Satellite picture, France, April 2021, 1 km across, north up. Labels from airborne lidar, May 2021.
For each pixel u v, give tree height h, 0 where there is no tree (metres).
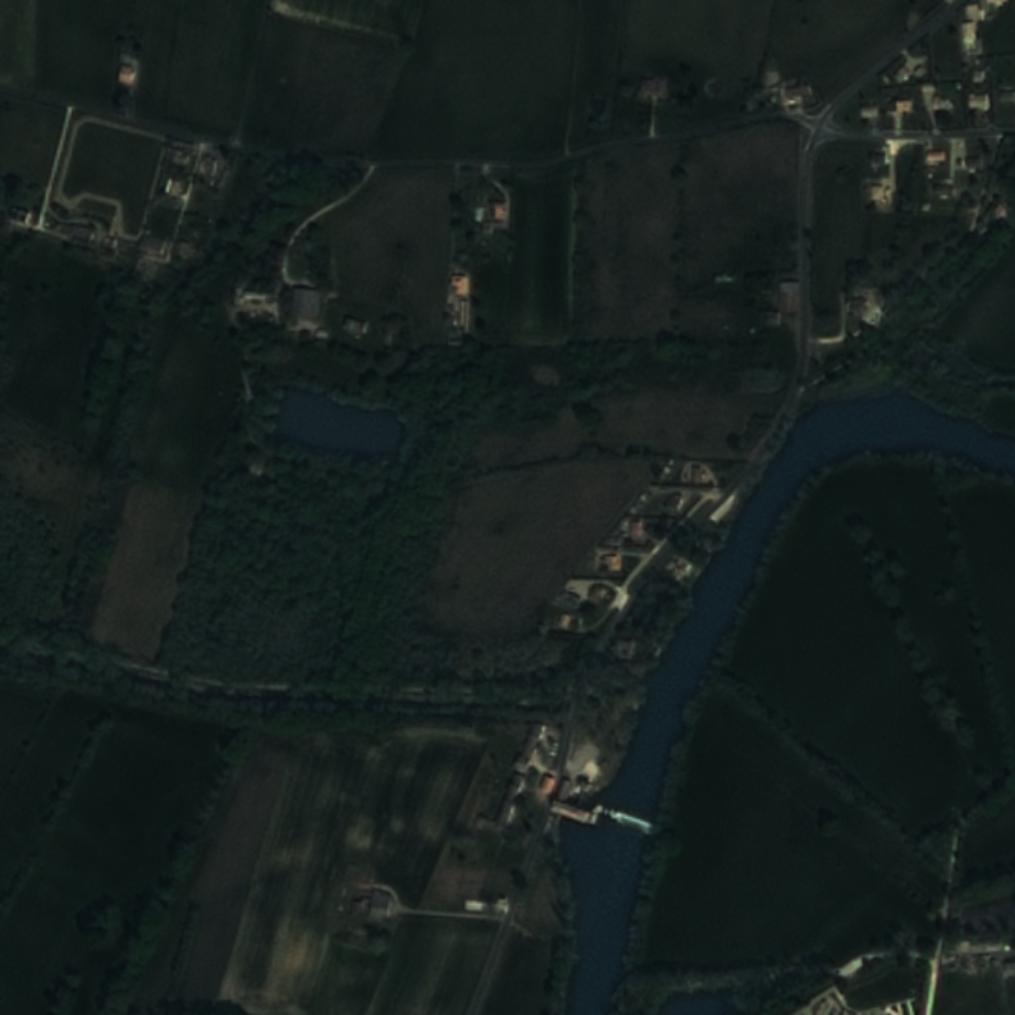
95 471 0
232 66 0
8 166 0
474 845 16
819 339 0
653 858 19
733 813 0
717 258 0
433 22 0
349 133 0
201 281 15
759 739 0
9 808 0
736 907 0
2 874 0
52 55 0
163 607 0
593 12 0
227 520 10
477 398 20
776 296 0
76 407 0
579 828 0
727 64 0
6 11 0
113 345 22
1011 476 13
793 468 0
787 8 0
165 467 0
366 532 17
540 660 7
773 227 0
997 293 0
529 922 0
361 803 0
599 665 16
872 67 0
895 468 0
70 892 0
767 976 16
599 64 0
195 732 0
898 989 0
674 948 0
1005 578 0
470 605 0
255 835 0
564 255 0
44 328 0
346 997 0
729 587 0
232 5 0
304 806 0
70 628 10
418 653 10
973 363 6
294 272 0
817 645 0
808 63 0
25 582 13
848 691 0
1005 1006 0
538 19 0
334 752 0
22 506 6
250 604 13
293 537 11
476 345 10
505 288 0
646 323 0
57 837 0
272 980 0
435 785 0
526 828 7
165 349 0
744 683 10
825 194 0
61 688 12
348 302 0
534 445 0
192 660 13
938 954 13
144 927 20
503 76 0
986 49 0
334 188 18
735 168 0
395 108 0
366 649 20
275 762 0
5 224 11
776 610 0
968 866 0
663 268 0
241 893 0
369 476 15
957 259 18
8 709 0
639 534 0
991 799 13
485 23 0
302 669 16
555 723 15
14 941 0
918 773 0
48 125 0
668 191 0
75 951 0
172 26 0
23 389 0
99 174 0
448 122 0
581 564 0
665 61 0
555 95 0
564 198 0
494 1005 0
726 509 0
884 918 0
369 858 0
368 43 0
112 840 0
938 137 0
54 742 0
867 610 0
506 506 0
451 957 0
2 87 0
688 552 21
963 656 0
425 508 18
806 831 0
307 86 0
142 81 0
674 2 0
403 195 0
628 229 0
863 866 0
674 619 29
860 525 13
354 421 0
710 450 0
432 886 0
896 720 0
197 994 0
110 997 17
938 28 0
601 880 0
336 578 6
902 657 0
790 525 10
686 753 16
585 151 0
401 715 12
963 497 0
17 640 15
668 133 0
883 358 20
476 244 8
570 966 17
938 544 0
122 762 0
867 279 17
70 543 0
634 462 9
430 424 6
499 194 8
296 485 17
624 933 0
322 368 0
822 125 0
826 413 0
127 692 17
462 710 11
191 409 0
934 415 0
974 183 10
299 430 0
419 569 7
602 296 0
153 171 0
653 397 0
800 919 0
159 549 0
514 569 0
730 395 0
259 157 9
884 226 0
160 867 0
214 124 0
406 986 0
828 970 14
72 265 0
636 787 0
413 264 0
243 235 15
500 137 0
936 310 20
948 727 15
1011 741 15
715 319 0
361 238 0
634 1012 19
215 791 19
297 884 0
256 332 17
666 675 0
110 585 0
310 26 0
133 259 0
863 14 0
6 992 0
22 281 0
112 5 0
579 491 0
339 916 0
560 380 0
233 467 7
